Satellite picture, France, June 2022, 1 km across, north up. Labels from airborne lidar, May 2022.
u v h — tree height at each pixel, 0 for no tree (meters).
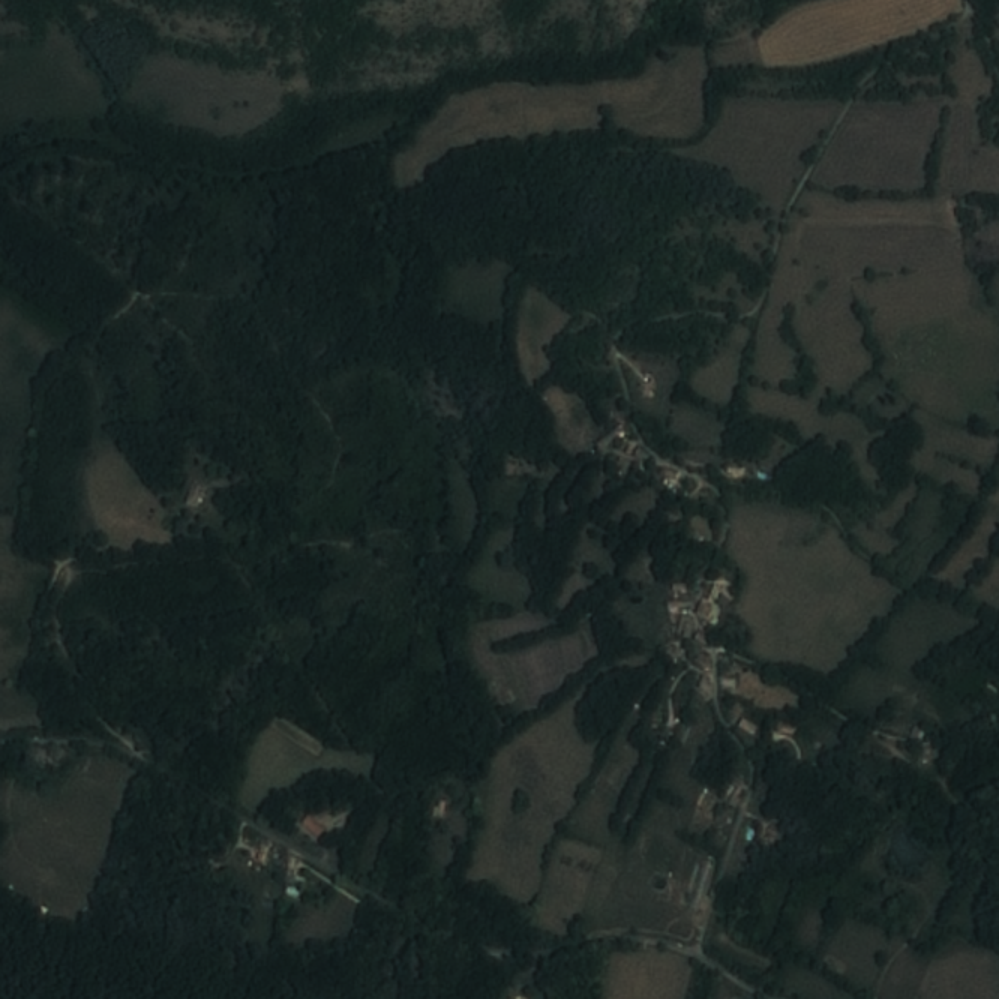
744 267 13
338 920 0
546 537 18
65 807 0
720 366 0
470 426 12
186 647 21
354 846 11
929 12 0
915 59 8
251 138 9
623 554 16
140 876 22
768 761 13
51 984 17
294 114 11
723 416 10
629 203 9
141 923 21
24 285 8
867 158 0
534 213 8
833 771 20
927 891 0
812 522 0
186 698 14
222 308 8
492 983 17
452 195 17
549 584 14
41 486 6
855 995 9
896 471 17
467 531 0
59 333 0
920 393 0
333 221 15
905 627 0
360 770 0
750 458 15
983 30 10
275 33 8
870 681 0
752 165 0
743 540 0
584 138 13
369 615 16
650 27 10
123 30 17
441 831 12
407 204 20
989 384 0
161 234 15
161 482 16
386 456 8
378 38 7
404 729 8
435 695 6
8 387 0
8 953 15
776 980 6
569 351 13
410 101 8
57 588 11
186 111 0
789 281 0
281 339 8
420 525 21
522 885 0
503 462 13
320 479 9
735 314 13
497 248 11
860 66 9
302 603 17
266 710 14
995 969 0
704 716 0
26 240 16
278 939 12
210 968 11
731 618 7
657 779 12
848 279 0
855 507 13
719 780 8
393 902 8
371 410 14
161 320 17
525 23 7
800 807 19
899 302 0
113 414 8
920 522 0
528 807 8
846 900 9
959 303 0
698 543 12
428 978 15
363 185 11
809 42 0
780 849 15
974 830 17
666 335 13
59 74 0
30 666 12
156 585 8
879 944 0
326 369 11
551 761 0
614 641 16
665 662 12
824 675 14
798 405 0
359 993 13
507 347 12
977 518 16
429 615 18
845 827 17
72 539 6
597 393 12
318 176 17
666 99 0
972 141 0
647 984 0
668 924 0
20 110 0
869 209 0
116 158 17
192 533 15
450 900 14
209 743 13
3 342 0
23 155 20
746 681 0
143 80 0
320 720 8
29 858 0
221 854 16
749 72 9
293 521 22
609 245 7
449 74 10
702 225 7
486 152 14
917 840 13
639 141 12
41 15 9
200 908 26
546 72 17
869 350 10
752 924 15
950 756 21
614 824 13
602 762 7
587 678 9
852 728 19
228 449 18
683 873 0
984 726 20
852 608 0
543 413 15
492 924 18
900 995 0
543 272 10
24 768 27
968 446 0
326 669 7
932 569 13
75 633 12
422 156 0
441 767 7
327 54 7
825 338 0
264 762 0
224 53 8
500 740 11
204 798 16
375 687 8
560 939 13
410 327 17
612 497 15
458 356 10
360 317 24
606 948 15
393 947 19
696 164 20
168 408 13
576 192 8
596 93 0
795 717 20
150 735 13
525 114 0
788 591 0
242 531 17
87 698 24
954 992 0
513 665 0
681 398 11
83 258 18
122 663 17
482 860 0
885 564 8
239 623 18
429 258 14
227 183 13
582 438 0
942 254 0
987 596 0
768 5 12
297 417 11
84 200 15
